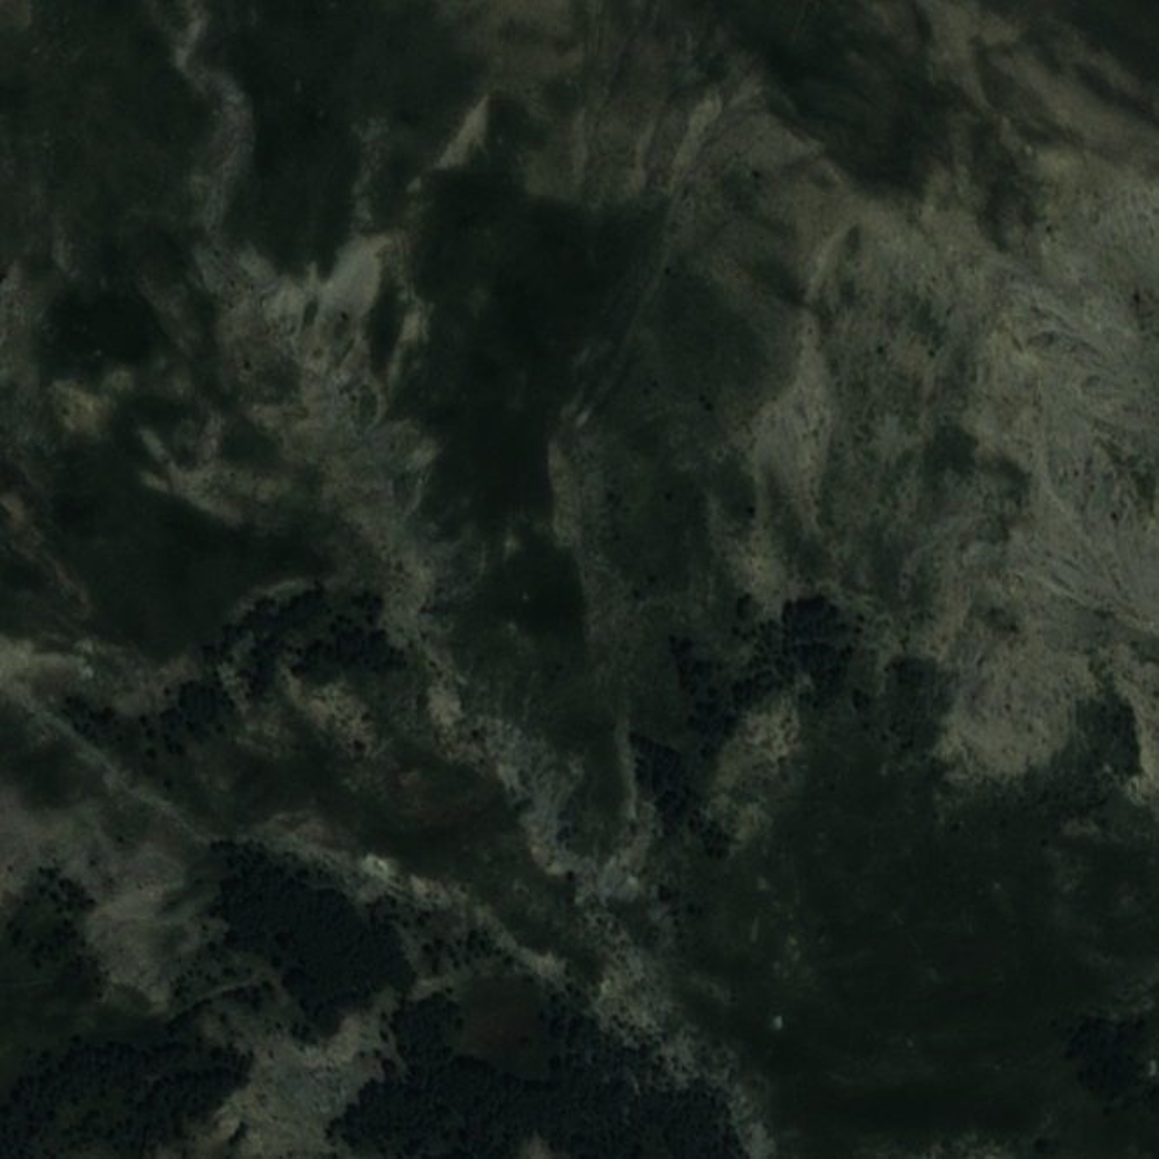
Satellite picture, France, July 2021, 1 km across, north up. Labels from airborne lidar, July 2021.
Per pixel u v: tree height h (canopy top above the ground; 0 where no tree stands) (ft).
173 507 0
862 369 0
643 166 0
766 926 0
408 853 0
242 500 0
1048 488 0
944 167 0
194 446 0
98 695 0
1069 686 0
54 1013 0
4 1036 0
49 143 0
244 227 0
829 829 0
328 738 0
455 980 0
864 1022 0
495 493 0
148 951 0
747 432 0
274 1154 0
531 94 0
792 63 0
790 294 0
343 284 0
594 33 0
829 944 0
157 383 0
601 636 0
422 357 0
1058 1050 0
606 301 0
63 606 0
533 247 0
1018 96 0
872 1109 0
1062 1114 0
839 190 0
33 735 0
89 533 0
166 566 0
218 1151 0
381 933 52
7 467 0
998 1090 0
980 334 0
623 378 0
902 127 0
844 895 0
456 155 0
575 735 0
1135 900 0
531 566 0
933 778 22
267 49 0
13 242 0
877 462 0
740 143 0
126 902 0
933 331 0
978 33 0
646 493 0
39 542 0
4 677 0
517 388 0
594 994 0
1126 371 0
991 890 0
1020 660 0
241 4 0
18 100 0
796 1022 0
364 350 0
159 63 0
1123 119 0
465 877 0
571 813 0
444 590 0
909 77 0
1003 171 0
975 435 0
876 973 0
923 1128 0
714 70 0
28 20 0
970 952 0
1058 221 0
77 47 0
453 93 0
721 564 0
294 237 0
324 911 60
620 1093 57
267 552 0
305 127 0
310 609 51
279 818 0
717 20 0
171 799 0
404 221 0
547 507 0
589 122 0
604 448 0
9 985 0
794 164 0
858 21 0
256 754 0
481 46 0
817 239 0
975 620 0
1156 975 0
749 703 48
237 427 0
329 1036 28
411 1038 80
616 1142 77
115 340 0
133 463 0
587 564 0
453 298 0
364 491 0
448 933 0
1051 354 0
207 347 0
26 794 0
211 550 0
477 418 0
